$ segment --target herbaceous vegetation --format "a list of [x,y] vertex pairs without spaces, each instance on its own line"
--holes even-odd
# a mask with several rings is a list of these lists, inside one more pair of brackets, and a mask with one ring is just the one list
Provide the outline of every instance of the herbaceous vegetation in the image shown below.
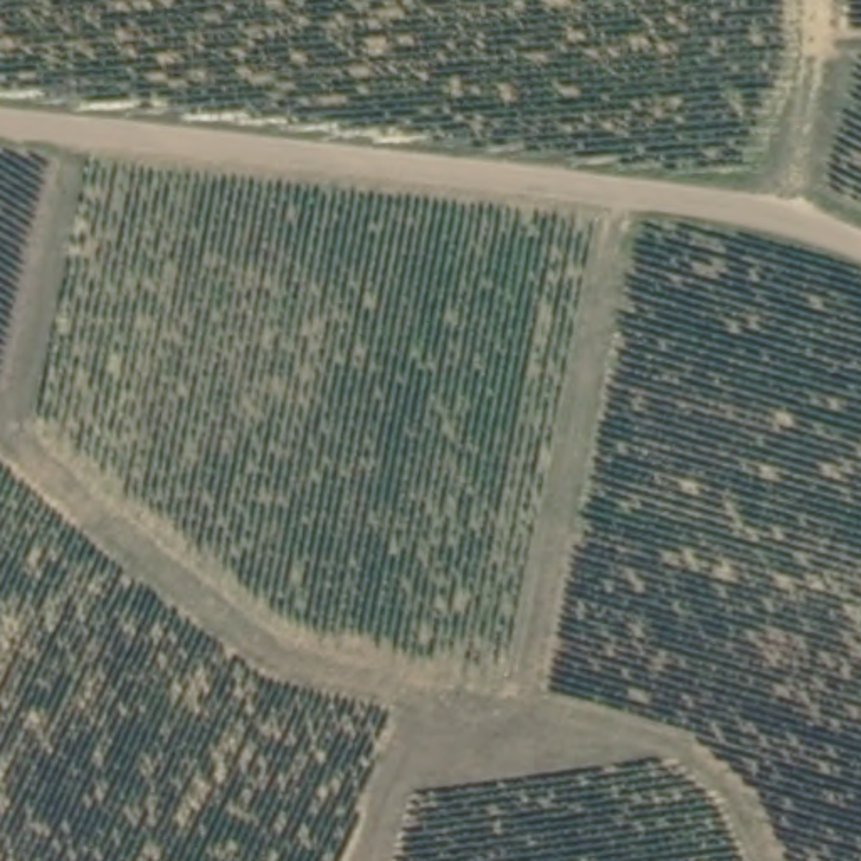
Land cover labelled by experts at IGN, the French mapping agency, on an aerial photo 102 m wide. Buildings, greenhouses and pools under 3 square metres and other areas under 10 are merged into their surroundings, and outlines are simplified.
[[659,757],[673,774],[693,780],[706,794],[706,800],[720,811],[740,861],[784,861],[784,844],[770,827],[770,814],[760,804],[760,794],[730,770],[730,763],[716,760],[696,740],[696,733],[666,726],[659,720],[642,720],[602,703],[562,696],[552,689],[562,602],[572,578],[575,548],[585,541],[589,528],[585,504],[592,501],[599,427],[605,420],[609,387],[622,350],[619,313],[632,309],[626,279],[636,266],[632,225],[646,212],[599,209],[582,202],[555,205],[552,198],[538,195],[504,195],[498,205],[531,215],[552,212],[572,219],[575,232],[582,235],[582,242],[592,246],[592,252],[589,266],[548,272],[548,283],[555,286],[572,283],[568,316],[575,323],[575,333],[568,346],[568,373],[548,363],[548,380],[562,383],[562,400],[558,407],[548,407],[552,444],[541,447],[538,457],[545,488],[531,494],[528,511],[518,515],[521,521],[535,525],[521,602],[508,605],[508,599],[501,599],[501,615],[515,619],[515,639],[501,649],[501,656],[494,656],[494,646],[484,636],[461,636],[451,649],[434,652],[431,659],[417,659],[394,649],[387,639],[373,642],[360,632],[313,632],[303,622],[279,615],[276,609],[269,609],[262,595],[249,592],[235,578],[235,572],[229,572],[215,558],[209,545],[188,541],[168,515],[155,515],[138,498],[124,498],[114,467],[98,467],[94,457],[74,451],[71,441],[57,441],[54,420],[37,417],[34,387],[40,373],[44,343],[54,330],[71,330],[71,309],[81,299],[74,293],[67,299],[57,299],[57,283],[61,262],[67,259],[67,246],[77,232],[87,229],[81,205],[74,202],[74,168],[84,151],[50,141],[0,138],[0,148],[13,148],[17,155],[40,155],[47,165],[34,202],[34,219],[24,239],[10,326],[0,350],[0,464],[17,481],[24,481],[47,508],[54,508],[71,528],[77,528],[104,558],[118,562],[124,589],[151,589],[185,622],[212,636],[225,649],[225,656],[242,656],[249,669],[256,669],[266,679],[313,686],[323,696],[373,703],[387,713],[387,726],[373,740],[373,750],[360,757],[360,763],[370,770],[370,780],[357,797],[357,824],[340,861],[400,861],[404,837],[414,827],[417,787],[525,777],[568,767],[605,767],[646,753]]
[[757,128],[750,131],[737,165],[696,168],[683,161],[679,168],[666,172],[666,165],[656,158],[636,165],[622,165],[615,155],[568,161],[562,151],[552,148],[528,155],[521,141],[484,148],[478,158],[558,165],[585,175],[767,192],[777,198],[807,198],[817,209],[861,229],[861,34],[848,40],[831,37],[831,0],[780,0],[780,74],[774,87],[760,94]]
[[474,158],[464,138],[441,128],[350,128],[340,121],[299,121],[286,114],[192,111],[185,104],[168,104],[165,98],[81,101],[74,94],[54,94],[50,87],[0,87],[0,108],[71,118],[118,118],[175,128],[212,128],[229,135],[340,145],[367,151]]

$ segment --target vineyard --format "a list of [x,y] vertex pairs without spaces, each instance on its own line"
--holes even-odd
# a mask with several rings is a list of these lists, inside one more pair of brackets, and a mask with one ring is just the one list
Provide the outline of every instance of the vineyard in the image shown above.
[[831,0],[831,37],[848,40],[861,34],[861,0]]
[[552,148],[562,151],[568,161],[615,155],[622,165],[636,165],[656,158],[666,165],[666,172],[679,168],[683,161],[696,168],[737,165],[750,131],[757,128],[760,94],[774,87],[780,74],[780,0],[0,0],[0,87],[50,87],[54,94],[74,94],[81,101],[165,98],[168,104],[185,104],[192,111],[286,114],[299,121],[340,121],[350,128],[441,128],[464,138],[474,158],[478,158],[484,148],[521,141],[528,155]]
[[225,649],[212,636],[185,622],[151,589],[124,589],[118,562],[104,558],[77,528],[71,528],[54,508],[47,508],[24,481],[17,481],[0,464],[0,861],[340,861],[357,824],[357,797],[370,780],[370,770],[360,763],[360,757],[373,750],[373,740],[387,726],[387,713],[373,703],[323,696],[313,686],[266,679],[256,669],[249,669],[242,656],[225,656]]
[[632,309],[619,313],[622,350],[609,387],[605,420],[599,427],[592,501],[585,504],[589,528],[585,541],[575,548],[572,578],[562,602],[552,689],[562,696],[602,703],[642,720],[659,720],[666,726],[696,733],[696,740],[716,760],[730,763],[730,770],[760,794],[760,804],[770,814],[770,827],[784,844],[784,861],[861,861],[861,256],[841,259],[824,249],[750,232],[740,225],[686,219],[673,212],[646,212],[632,225],[636,266],[626,279]]
[[0,148],[0,350],[10,326],[24,239],[34,219],[34,202],[47,165],[40,155],[17,155],[13,148]]
[[538,457],[541,447],[552,444],[548,407],[558,407],[562,400],[562,383],[548,380],[548,363],[568,373],[568,346],[575,333],[575,323],[568,316],[572,283],[555,286],[548,283],[548,272],[589,266],[592,252],[592,246],[582,242],[582,235],[575,232],[572,219],[552,212],[531,215],[498,205],[461,205],[427,195],[357,192],[343,185],[262,182],[249,175],[215,178],[195,168],[141,168],[128,158],[94,158],[84,151],[74,168],[74,202],[81,205],[87,229],[77,232],[67,246],[67,259],[61,262],[57,283],[57,299],[67,299],[74,293],[81,299],[71,309],[71,330],[54,330],[44,343],[40,373],[34,387],[37,417],[54,420],[57,441],[71,441],[74,451],[94,457],[98,467],[114,467],[124,498],[138,498],[155,515],[168,515],[188,541],[209,545],[215,558],[229,572],[235,572],[235,578],[249,592],[262,595],[269,609],[276,609],[279,615],[303,622],[313,632],[360,632],[373,642],[387,639],[394,649],[417,659],[431,659],[434,652],[451,649],[461,636],[484,636],[494,646],[494,656],[501,656],[501,649],[515,639],[515,619],[501,615],[501,599],[508,599],[508,605],[521,602],[535,525],[521,521],[518,515],[528,511],[531,494],[545,488]]
[[720,811],[706,800],[706,794],[693,780],[673,774],[659,757],[646,753],[605,767],[568,767],[525,777],[417,787],[414,827],[404,837],[400,861],[740,861]]

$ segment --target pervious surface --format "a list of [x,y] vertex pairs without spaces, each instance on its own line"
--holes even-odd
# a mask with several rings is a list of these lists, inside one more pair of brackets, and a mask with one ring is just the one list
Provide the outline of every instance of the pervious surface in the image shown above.
[[498,205],[504,195],[538,195],[552,198],[555,205],[582,202],[599,209],[646,212],[673,212],[686,219],[740,225],[750,232],[824,249],[841,259],[861,256],[861,229],[817,209],[807,198],[777,198],[767,192],[585,175],[558,165],[478,158],[474,158],[367,151],[340,145],[229,135],[212,128],[175,128],[118,118],[71,118],[0,108],[0,138],[50,141],[84,151],[94,158],[128,158],[141,168],[195,168],[215,178],[249,175],[262,182],[343,185],[357,192],[427,195],[461,205]]

